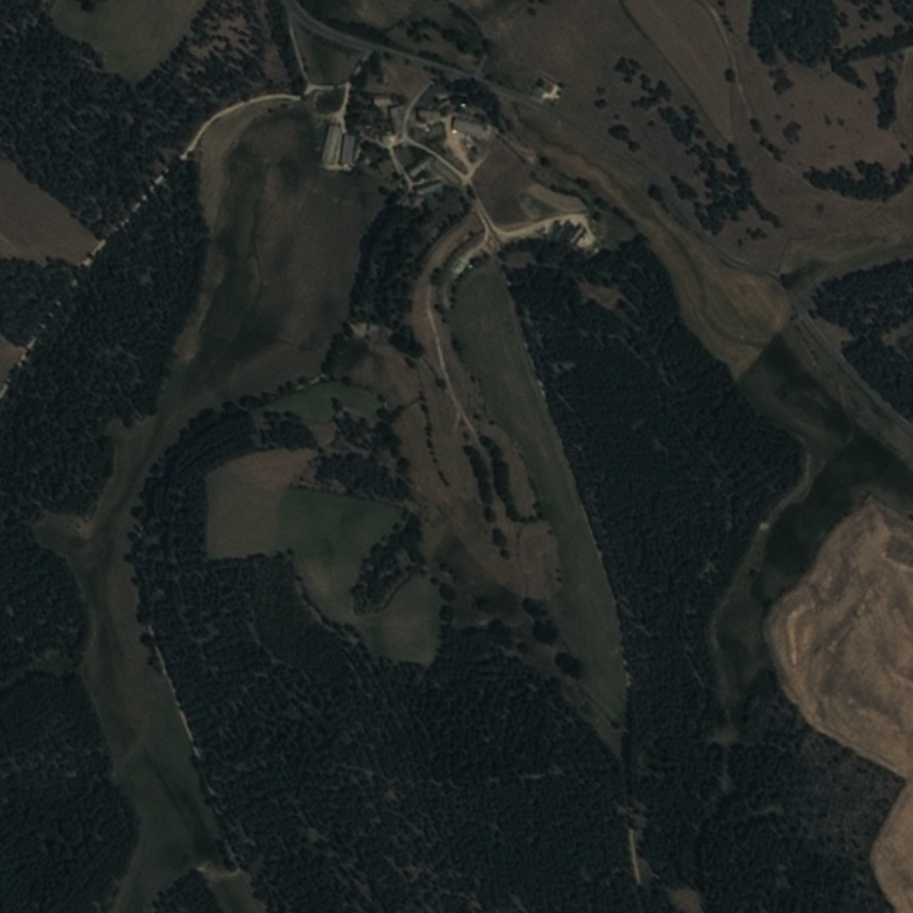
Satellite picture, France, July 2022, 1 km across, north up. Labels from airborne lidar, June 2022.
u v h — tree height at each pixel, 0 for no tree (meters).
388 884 16
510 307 0
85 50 11
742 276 0
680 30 0
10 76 21
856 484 0
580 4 0
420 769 15
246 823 17
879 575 0
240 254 0
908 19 13
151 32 0
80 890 13
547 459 0
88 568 0
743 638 0
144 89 20
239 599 17
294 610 8
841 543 0
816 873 8
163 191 20
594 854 18
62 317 17
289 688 21
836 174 14
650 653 16
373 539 0
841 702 0
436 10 0
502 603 0
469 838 18
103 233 12
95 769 18
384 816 16
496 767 16
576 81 0
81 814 26
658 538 14
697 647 18
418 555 16
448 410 0
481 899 16
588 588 0
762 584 0
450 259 0
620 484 18
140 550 21
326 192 0
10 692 28
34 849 20
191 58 19
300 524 0
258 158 0
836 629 0
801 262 0
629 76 9
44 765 10
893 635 0
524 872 18
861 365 16
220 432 23
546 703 15
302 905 17
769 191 0
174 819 0
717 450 20
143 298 20
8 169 0
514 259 0
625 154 0
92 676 0
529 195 0
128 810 15
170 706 0
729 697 0
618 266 21
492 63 0
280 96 0
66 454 20
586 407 19
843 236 0
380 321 7
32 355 13
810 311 9
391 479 17
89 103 21
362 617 0
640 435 19
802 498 0
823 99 0
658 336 17
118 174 21
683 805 21
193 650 17
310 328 0
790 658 0
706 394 21
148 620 15
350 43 0
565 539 0
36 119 17
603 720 0
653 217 0
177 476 20
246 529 0
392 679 19
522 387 0
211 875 0
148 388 18
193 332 0
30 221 0
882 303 15
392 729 16
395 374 0
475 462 14
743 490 18
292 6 0
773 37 12
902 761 0
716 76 0
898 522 0
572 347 20
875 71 0
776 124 0
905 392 16
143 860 0
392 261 23
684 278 0
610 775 22
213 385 0
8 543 26
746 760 24
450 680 14
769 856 20
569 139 0
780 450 18
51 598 16
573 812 24
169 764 0
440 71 7
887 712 0
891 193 12
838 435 0
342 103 0
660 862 20
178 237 17
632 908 17
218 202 0
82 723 17
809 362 0
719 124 0
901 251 0
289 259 0
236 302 0
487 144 0
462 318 0
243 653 15
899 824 0
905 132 0
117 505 0
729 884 27
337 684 8
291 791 17
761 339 0
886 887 0
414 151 8
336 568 0
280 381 0
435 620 0
